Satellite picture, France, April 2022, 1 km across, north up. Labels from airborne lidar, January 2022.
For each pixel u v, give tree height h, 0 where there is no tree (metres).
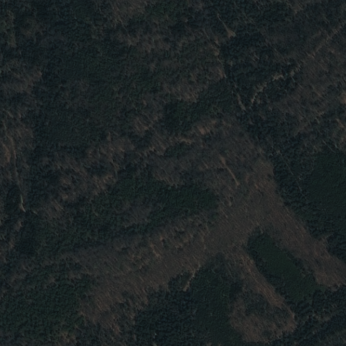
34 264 11
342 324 29
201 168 26
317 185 11
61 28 35
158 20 18
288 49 14
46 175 32
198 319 11
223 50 12
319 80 14
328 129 26
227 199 24
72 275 25
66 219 10
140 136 28
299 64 17
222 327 11
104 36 13
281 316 24
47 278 15
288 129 24
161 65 9
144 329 13
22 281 10
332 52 14
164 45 26
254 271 23
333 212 9
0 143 17
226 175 25
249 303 19
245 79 10
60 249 12
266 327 20
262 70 9
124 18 20
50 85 34
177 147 15
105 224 10
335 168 12
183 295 27
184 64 11
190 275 14
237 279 21
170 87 24
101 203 7
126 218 18
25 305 17
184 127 11
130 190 18
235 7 23
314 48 14
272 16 10
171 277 16
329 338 23
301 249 23
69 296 18
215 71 26
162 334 29
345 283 17
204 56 9
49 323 7
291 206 20
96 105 8
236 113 7
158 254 26
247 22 22
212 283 9
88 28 28
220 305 12
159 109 25
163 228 23
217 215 21
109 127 9
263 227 15
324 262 21
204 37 29
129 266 24
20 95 18
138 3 23
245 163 12
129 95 11
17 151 24
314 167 10
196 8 27
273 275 11
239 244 17
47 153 8
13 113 21
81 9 11
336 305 32
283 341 27
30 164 30
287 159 22
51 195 30
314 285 11
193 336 19
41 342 12
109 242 28
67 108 18
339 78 26
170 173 23
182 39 24
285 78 17
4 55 14
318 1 14
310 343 24
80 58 11
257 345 13
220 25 31
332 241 25
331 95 26
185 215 25
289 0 15
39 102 29
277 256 14
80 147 10
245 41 18
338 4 15
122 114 12
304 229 21
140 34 23
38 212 17
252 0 8
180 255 25
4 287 26
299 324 28
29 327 14
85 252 30
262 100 10
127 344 32
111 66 11
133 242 25
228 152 28
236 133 29
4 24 16
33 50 24
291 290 13
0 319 12
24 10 29
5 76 17
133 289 19
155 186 12
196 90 26
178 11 12
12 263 14
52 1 32
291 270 11
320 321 18
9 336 24
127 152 24
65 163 26
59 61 27
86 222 12
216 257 17
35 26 10
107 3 23
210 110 15
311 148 28
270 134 21
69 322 14
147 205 10
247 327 16
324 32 15
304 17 14
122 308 26
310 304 7
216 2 23
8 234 27
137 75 16
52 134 10
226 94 17
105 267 25
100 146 26
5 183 18
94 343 14
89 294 26
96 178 30
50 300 15
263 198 17
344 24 14
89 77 11
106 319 23
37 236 10
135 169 9
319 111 10
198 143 24
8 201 21
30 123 22
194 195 16
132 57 15
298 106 27
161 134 29
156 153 8
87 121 8
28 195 24
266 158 21
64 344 32
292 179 11
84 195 27
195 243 20
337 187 9
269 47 14
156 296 18
